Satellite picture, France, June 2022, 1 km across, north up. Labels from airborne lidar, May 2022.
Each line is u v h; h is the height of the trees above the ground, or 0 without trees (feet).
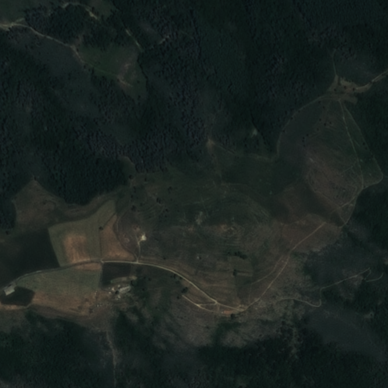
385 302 27
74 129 42
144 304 0
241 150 0
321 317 0
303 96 27
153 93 54
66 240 0
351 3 116
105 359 0
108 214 0
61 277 0
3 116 37
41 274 0
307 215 0
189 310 0
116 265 0
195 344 0
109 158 23
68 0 66
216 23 55
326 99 0
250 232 0
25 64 45
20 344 23
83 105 0
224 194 0
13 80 42
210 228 0
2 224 56
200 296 0
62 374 42
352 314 0
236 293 0
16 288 0
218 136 31
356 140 0
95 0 0
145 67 28
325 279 0
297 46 48
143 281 0
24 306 0
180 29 33
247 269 0
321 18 104
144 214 0
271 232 0
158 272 0
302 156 0
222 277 0
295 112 30
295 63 42
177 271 0
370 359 44
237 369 36
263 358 57
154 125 25
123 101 46
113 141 44
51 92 38
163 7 37
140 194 0
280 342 33
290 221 0
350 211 0
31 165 26
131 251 0
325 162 0
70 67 0
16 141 28
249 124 31
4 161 49
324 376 43
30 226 0
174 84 43
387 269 50
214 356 61
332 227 0
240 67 109
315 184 0
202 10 41
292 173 0
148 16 22
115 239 0
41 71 36
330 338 0
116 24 50
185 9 29
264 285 0
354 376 60
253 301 0
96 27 49
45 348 34
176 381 0
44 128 36
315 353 65
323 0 118
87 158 27
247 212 0
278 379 36
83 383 55
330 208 0
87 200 46
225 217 0
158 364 24
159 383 38
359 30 60
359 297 41
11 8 0
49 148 38
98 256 0
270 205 0
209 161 0
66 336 27
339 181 0
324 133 0
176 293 0
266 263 0
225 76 83
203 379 26
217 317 0
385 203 35
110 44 52
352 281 0
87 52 0
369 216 33
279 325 0
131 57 0
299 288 0
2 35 23
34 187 0
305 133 0
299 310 0
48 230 0
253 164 0
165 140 54
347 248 0
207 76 30
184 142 24
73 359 36
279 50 30
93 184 48
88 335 0
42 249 0
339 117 0
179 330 0
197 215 0
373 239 26
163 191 0
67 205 0
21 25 0
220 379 25
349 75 0
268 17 37
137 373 35
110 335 0
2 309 0
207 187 0
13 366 37
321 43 26
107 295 0
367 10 104
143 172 52
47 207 0
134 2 62
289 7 40
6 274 0
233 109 49
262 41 33
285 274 0
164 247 0
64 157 59
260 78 23
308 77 34
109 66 0
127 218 0
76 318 0
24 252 0
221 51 90
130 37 43
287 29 42
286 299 0
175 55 28
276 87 39
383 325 55
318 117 0
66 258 0
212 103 0
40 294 0
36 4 0
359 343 0
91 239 0
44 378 35
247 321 0
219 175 0
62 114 59
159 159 52
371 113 33
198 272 0
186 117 49
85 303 0
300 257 0
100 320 0
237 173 0
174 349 0
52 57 0
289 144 0
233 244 0
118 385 21
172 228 0
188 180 0
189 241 0
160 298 0
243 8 62
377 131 31
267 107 36
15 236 0
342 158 0
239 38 46
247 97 87
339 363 32
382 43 23
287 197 0
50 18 22
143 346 30
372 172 0
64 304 0
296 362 38
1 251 0
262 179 0
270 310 0
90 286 0
